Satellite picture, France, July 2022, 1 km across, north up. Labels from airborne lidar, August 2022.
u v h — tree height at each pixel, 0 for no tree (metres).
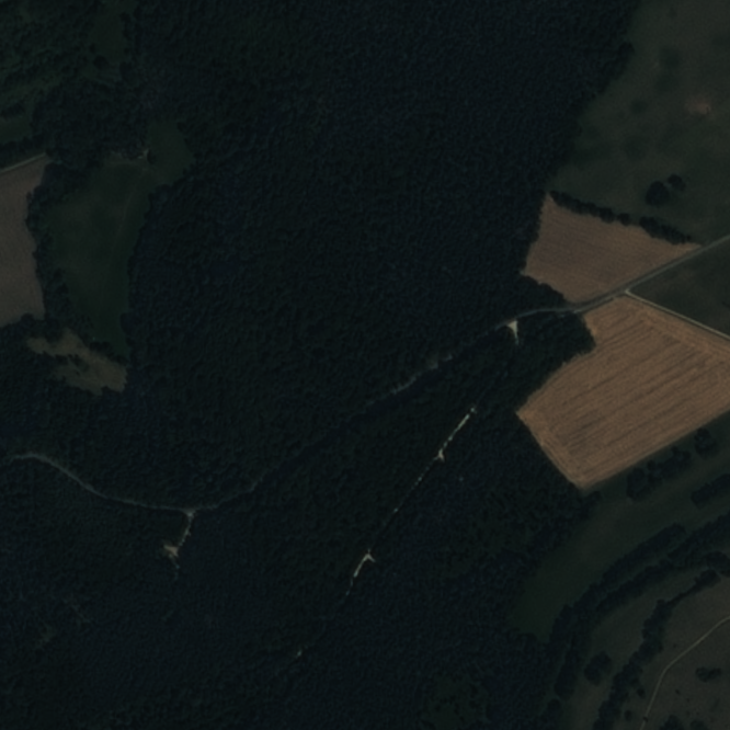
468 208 28
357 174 18
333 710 24
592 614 23
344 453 27
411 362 13
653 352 0
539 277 0
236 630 29
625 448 0
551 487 17
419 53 26
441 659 27
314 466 23
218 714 9
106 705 25
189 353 27
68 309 30
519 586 22
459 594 27
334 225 22
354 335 18
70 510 20
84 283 0
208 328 15
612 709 17
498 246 26
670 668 0
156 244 24
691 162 0
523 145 26
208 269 13
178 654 22
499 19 28
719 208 0
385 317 20
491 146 22
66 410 15
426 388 24
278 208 27
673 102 0
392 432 24
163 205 23
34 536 19
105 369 0
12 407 6
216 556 22
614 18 13
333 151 24
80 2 18
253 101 16
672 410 0
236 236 27
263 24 18
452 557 7
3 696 25
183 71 22
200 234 11
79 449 31
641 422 0
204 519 22
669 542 22
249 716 11
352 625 29
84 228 0
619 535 0
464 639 30
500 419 17
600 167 0
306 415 24
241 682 11
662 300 0
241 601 23
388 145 25
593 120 0
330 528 25
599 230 0
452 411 13
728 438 0
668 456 0
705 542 19
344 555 27
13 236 0
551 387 0
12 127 0
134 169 0
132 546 12
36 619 17
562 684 19
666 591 0
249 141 25
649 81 0
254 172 21
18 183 0
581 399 0
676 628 0
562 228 0
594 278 0
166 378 30
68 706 20
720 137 0
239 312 25
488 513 25
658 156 0
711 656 0
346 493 25
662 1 0
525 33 28
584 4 20
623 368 0
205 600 20
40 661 19
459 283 27
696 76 0
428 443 12
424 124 24
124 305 0
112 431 22
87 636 20
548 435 0
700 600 0
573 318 24
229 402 28
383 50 20
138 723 26
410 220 27
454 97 26
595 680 20
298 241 23
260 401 19
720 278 0
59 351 0
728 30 0
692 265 0
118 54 0
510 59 30
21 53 11
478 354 28
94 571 16
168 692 15
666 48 0
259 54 27
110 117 25
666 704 0
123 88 22
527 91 24
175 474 14
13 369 11
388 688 24
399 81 24
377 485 26
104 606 21
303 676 28
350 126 24
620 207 0
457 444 15
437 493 23
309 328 9
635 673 15
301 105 29
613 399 0
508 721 31
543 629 0
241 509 24
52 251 23
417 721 20
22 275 0
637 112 0
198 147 9
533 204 18
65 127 26
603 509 0
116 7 0
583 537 0
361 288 20
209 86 21
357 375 22
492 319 22
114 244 0
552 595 0
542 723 26
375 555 13
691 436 0
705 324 0
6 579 29
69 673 17
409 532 29
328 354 16
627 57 17
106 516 21
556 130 18
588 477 0
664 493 0
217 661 23
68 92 15
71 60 20
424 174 19
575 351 18
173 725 9
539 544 20
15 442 26
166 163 0
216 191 11
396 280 24
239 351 18
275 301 28
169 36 19
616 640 0
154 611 24
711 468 0
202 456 35
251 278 31
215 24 20
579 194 0
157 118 22
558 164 20
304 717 26
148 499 20
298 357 27
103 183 0
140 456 21
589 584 0
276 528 28
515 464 26
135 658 22
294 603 21
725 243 0
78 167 27
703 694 0
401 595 24
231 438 29
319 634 18
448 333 29
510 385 21
